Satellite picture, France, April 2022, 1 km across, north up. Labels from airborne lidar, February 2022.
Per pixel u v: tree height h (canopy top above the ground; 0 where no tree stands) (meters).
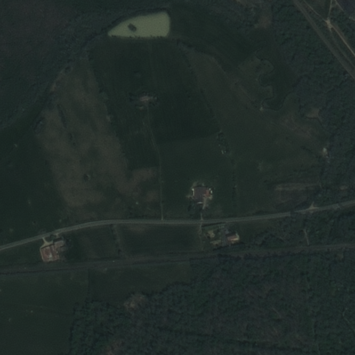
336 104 22
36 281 0
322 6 0
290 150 0
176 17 0
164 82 0
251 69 0
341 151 24
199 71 0
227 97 0
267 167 0
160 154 0
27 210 0
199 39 0
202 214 16
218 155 0
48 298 0
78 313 18
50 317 0
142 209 0
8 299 0
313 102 19
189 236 0
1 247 0
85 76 0
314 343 25
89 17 12
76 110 0
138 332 29
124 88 0
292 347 18
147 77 0
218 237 0
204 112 0
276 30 19
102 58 0
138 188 0
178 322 26
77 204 0
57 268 0
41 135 0
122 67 0
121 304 0
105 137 0
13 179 0
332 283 11
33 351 0
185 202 0
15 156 0
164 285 0
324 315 20
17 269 0
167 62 0
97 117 0
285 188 0
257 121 0
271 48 0
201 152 0
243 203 0
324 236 7
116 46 0
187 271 0
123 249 0
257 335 24
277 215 0
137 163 0
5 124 15
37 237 0
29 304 0
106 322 0
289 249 0
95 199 0
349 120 24
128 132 0
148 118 0
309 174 0
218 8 6
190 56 0
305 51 25
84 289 0
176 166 0
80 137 0
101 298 0
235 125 0
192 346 27
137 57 0
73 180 0
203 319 30
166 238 0
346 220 26
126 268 0
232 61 0
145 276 0
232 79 0
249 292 28
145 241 0
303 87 25
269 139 0
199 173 0
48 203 0
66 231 0
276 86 0
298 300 28
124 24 0
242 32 8
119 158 0
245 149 0
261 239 22
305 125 0
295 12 17
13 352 0
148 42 0
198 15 0
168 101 0
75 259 0
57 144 0
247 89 0
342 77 19
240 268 27
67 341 0
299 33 28
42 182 0
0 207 0
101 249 0
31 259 0
